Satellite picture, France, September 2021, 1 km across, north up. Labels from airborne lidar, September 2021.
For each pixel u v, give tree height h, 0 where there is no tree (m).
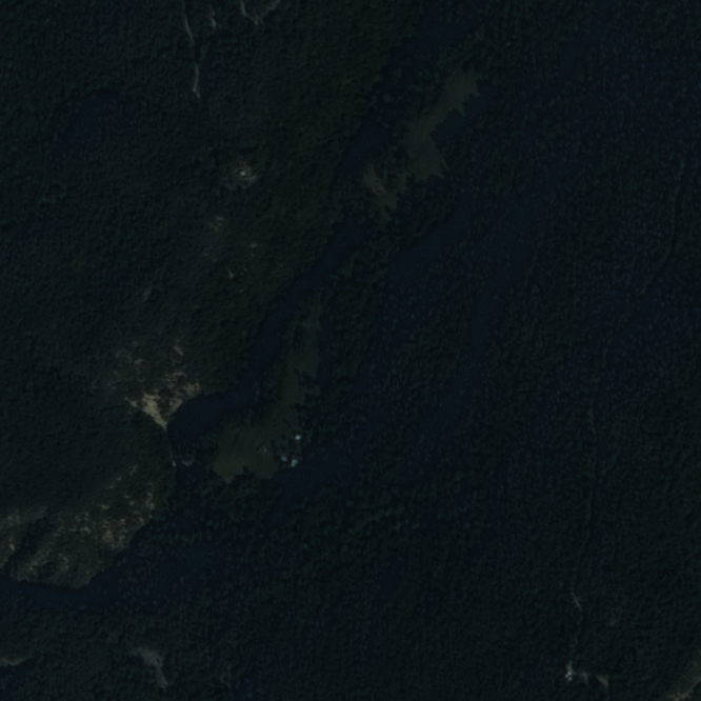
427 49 38
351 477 17
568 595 15
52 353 12
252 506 20
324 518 26
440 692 17
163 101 19
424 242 12
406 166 22
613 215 14
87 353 11
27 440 21
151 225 14
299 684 14
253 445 0
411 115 21
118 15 15
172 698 12
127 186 15
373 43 30
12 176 20
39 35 20
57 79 20
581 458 21
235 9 13
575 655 9
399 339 16
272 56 21
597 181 22
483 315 17
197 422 22
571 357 12
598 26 11
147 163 16
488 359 21
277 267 18
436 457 17
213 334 27
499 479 13
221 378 21
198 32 12
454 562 23
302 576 16
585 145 18
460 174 17
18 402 19
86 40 16
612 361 13
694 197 7
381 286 26
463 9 22
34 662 21
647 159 20
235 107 12
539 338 15
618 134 15
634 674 13
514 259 9
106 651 18
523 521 14
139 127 16
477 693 14
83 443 17
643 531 12
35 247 6
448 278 14
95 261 21
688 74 18
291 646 14
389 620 19
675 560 17
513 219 11
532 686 10
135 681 19
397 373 18
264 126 16
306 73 23
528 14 19
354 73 36
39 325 14
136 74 16
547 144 20
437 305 16
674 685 9
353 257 28
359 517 30
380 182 21
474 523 28
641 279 20
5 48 20
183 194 12
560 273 15
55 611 16
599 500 12
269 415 22
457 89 0
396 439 18
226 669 11
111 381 11
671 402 16
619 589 11
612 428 7
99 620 27
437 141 0
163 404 10
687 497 15
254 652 15
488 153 17
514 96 17
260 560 12
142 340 9
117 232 24
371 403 18
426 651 8
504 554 11
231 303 24
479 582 22
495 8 18
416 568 18
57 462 21
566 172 22
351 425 17
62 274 17
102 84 24
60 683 15
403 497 29
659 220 12
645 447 11
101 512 8
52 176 19
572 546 17
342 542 28
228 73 15
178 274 14
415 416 19
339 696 14
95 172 15
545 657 15
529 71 16
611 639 8
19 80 21
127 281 20
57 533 8
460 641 14
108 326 14
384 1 25
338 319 30
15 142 22
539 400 17
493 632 11
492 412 28
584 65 21
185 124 17
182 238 19
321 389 12
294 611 17
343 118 29
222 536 22
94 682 22
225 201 13
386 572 10
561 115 19
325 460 16
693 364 14
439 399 16
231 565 19
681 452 12
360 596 13
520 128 21
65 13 19
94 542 10
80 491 18
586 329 20
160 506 12
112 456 15
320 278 24
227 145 23
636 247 12
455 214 15
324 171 30
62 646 19
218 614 16
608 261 15
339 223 26
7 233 24
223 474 0
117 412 17
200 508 25
